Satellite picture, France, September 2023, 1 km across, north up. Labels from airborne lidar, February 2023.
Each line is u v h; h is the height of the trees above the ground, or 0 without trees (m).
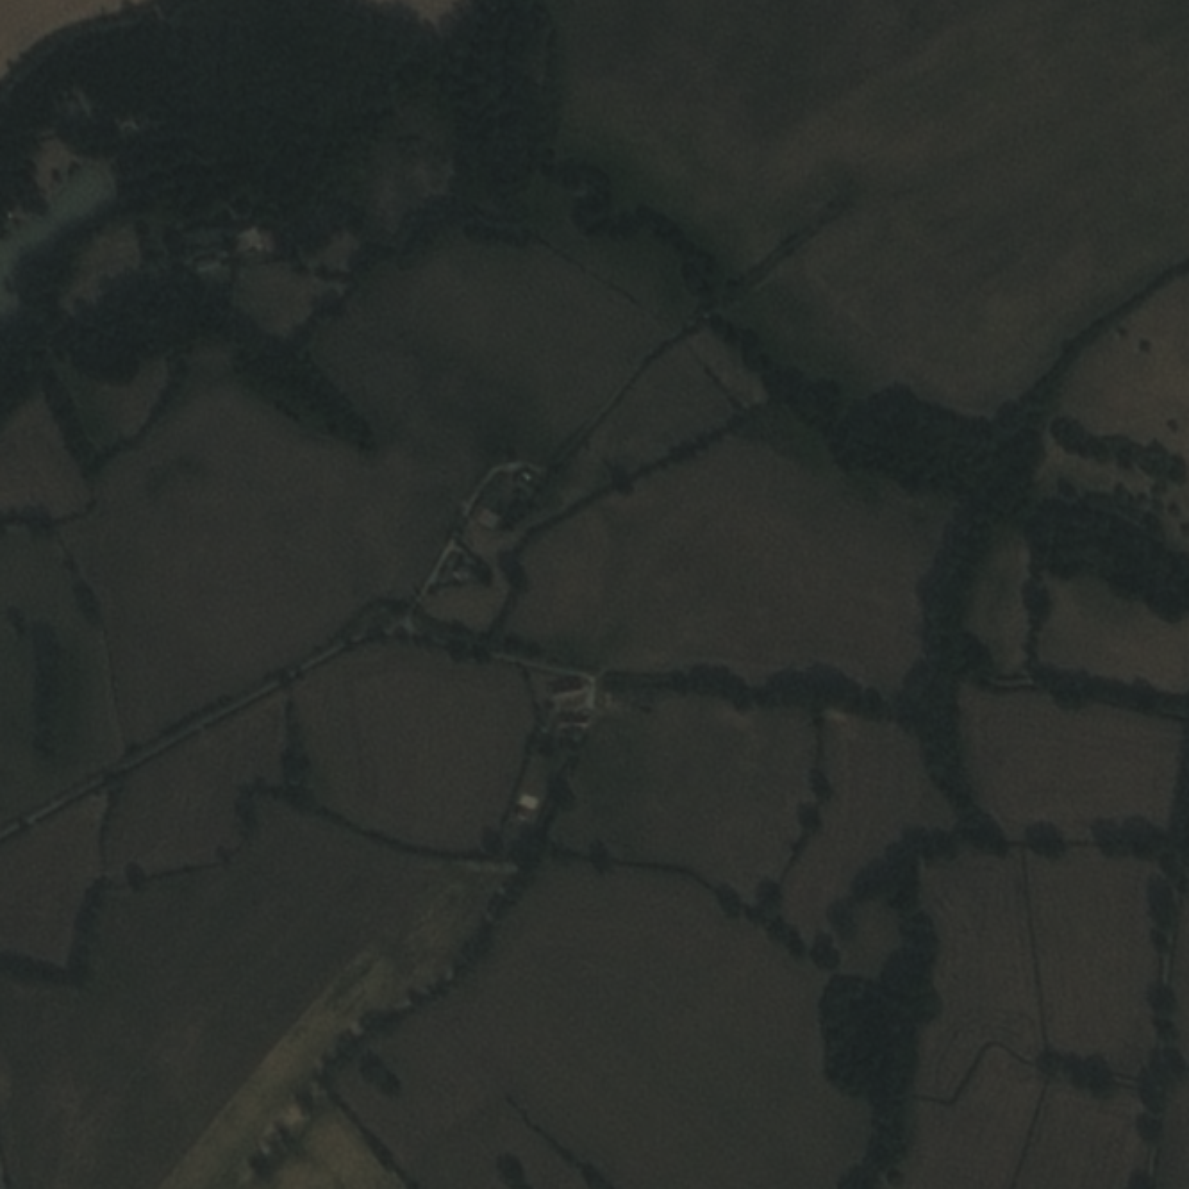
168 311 19
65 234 13
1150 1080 13
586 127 0
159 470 0
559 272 0
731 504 0
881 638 0
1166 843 10
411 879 0
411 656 0
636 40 0
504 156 18
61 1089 0
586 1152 0
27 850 0
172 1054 0
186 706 0
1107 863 0
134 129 0
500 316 0
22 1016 0
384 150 0
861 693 16
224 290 7
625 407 0
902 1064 22
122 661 0
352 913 0
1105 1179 0
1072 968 0
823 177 0
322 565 0
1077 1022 0
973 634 0
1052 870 0
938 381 0
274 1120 0
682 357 0
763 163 0
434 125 0
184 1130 0
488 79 22
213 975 0
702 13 0
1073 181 0
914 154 0
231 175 22
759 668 0
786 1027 0
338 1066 10
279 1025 0
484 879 0
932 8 0
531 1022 0
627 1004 0
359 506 0
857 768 0
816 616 0
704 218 0
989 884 0
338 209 14
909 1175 0
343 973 0
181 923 0
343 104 25
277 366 16
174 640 0
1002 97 0
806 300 0
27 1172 0
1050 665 0
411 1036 0
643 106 0
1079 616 0
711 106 0
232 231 6
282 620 0
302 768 14
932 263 0
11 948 0
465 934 0
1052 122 0
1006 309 0
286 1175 0
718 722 0
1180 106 0
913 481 17
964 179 0
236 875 0
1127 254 0
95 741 0
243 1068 0
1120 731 0
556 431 0
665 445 0
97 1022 0
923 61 0
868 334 0
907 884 21
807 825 17
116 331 13
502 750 0
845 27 0
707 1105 0
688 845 0
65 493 0
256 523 0
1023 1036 0
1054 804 0
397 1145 0
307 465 0
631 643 0
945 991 0
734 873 0
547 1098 0
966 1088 0
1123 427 0
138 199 24
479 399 0
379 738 0
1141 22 0
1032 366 0
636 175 0
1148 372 0
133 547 0
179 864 0
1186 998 0
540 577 0
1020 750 0
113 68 11
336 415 6
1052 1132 0
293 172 24
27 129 10
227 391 0
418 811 0
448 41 21
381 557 0
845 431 12
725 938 0
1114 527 15
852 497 0
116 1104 0
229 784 0
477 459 0
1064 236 0
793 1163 0
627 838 0
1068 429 10
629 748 0
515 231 13
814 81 0
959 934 0
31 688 0
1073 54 0
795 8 0
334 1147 0
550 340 0
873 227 0
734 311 0
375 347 0
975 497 8
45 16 0
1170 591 9
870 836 0
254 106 25
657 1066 0
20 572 0
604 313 0
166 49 11
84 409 0
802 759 0
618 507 0
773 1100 0
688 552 0
